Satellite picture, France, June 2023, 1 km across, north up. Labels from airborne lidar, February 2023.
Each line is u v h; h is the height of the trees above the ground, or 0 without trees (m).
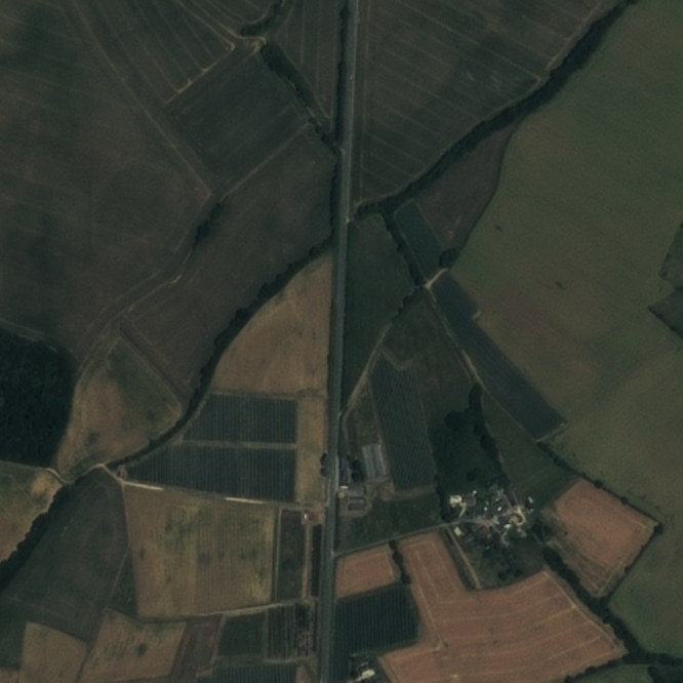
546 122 0
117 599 0
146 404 0
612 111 0
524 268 0
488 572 0
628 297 0
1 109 0
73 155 0
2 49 0
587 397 0
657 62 0
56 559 0
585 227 0
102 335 0
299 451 0
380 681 0
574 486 0
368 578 0
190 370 0
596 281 0
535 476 0
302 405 0
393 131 0
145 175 0
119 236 0
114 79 0
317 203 0
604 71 0
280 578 0
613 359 0
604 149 0
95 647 0
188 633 0
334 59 0
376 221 0
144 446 0
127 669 0
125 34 0
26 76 0
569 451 0
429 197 0
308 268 0
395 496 0
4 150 0
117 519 0
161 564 0
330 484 0
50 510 6
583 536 0
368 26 0
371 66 0
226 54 0
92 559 0
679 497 0
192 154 0
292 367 0
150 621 0
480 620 0
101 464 0
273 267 0
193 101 0
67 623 0
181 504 0
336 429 0
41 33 0
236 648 0
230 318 0
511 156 0
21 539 0
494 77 0
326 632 0
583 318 0
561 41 0
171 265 0
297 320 0
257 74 0
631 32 0
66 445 0
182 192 0
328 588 0
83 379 0
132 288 0
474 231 0
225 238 0
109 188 0
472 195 0
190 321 0
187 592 0
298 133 0
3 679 0
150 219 0
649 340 0
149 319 0
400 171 0
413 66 0
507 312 0
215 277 0
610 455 0
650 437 0
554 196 0
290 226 0
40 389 22
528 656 0
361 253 0
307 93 8
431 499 0
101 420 0
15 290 0
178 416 0
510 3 0
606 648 0
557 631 0
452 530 0
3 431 19
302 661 0
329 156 0
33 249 0
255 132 0
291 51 0
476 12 0
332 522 0
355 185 0
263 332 0
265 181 0
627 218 0
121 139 0
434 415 0
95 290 0
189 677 0
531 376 0
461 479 0
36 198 0
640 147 0
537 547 0
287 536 0
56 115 0
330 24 0
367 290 0
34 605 0
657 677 13
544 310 0
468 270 0
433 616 0
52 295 0
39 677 0
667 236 0
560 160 0
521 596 0
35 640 0
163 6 0
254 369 0
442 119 0
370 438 0
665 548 0
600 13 0
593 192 0
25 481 0
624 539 0
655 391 0
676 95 0
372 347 0
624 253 0
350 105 0
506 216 0
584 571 0
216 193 0
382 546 0
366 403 0
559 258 0
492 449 16
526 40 0
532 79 0
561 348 0
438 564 0
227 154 0
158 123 0
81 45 0
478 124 0
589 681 0
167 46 0
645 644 0
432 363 0
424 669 0
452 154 11
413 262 10
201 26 0
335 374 0
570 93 0
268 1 0
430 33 0
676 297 0
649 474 0
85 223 0
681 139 0
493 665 0
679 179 0
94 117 0
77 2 0
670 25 0
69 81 0
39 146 0
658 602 0
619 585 0
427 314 0
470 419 13
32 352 21
